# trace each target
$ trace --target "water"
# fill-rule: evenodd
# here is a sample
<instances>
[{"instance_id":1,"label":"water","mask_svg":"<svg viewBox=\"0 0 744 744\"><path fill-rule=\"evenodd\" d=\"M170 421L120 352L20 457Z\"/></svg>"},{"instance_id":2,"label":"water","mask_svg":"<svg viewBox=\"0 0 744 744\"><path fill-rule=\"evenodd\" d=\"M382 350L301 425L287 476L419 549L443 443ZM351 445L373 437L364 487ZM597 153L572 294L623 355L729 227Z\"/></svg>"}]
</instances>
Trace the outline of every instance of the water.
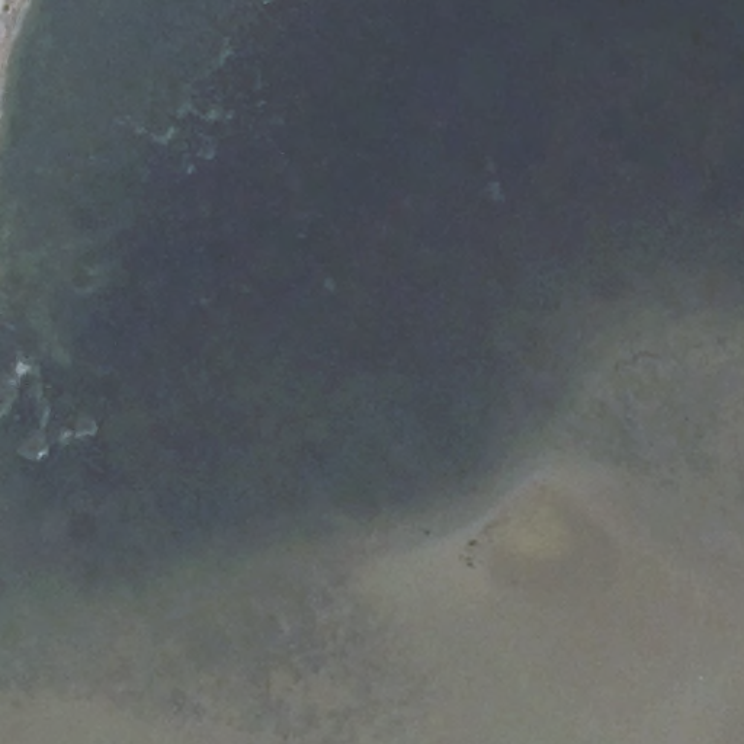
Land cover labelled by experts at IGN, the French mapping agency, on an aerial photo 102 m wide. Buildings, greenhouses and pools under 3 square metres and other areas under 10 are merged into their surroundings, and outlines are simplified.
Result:
<instances>
[{"instance_id":1,"label":"water","mask_svg":"<svg viewBox=\"0 0 744 744\"><path fill-rule=\"evenodd\" d=\"M23 29L6 64L0 125L0 744L744 744L744 0L32 0L23 17Z\"/></svg>"}]
</instances>

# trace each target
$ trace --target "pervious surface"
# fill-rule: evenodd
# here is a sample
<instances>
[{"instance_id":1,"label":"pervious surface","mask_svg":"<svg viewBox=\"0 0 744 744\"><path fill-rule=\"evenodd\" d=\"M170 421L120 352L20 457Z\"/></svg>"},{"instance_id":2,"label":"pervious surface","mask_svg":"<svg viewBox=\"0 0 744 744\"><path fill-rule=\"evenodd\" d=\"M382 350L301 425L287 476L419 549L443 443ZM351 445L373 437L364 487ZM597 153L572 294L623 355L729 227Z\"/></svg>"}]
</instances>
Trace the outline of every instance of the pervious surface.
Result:
<instances>
[{"instance_id":1,"label":"pervious surface","mask_svg":"<svg viewBox=\"0 0 744 744\"><path fill-rule=\"evenodd\" d=\"M6 64L23 29L23 17L32 0L0 0L0 125Z\"/></svg>"}]
</instances>

